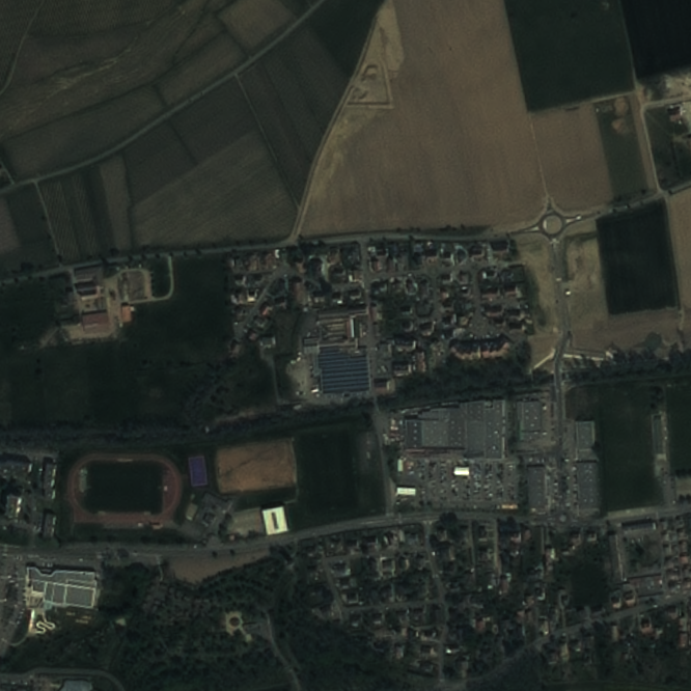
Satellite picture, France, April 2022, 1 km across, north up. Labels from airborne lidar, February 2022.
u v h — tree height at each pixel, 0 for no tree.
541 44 0
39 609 0
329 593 22
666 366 21
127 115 0
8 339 0
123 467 0
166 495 0
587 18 0
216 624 15
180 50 0
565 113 0
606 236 0
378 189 0
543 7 0
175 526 0
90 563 0
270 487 0
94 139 0
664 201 0
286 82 0
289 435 0
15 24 0
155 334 0
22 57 0
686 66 0
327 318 0
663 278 0
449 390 15
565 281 0
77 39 0
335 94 0
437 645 0
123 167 0
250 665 13
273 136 0
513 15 7
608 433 0
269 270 0
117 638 0
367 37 0
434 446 0
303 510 0
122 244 0
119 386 0
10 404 0
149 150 0
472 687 14
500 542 0
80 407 0
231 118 0
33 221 0
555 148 0
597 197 0
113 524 0
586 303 0
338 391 0
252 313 0
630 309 0
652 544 0
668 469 0
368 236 0
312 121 0
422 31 0
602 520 0
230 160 0
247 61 0
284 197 0
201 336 0
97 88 0
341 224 0
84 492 0
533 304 0
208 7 0
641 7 0
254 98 0
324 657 23
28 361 0
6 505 0
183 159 0
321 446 0
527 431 0
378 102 0
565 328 0
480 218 0
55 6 0
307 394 0
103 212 0
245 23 0
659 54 0
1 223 0
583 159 0
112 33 0
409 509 0
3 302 0
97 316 0
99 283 0
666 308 0
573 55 0
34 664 0
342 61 0
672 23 0
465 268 0
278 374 0
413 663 0
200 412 20
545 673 16
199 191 0
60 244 0
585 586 0
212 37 0
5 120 0
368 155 0
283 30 0
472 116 0
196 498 0
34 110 0
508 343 0
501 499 0
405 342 0
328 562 0
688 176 0
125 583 17
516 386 6
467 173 0
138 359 0
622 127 0
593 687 0
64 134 0
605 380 12
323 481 0
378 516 0
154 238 0
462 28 0
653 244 0
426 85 0
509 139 0
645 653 7
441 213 0
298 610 10
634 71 0
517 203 0
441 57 0
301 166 0
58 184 0
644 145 0
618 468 0
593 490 0
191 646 8
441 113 0
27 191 0
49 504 0
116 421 0
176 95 0
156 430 24
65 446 18
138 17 0
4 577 0
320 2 0
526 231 0
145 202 0
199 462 0
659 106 0
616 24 0
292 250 10
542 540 0
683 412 0
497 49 0
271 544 0
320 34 0
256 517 0
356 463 0
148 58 0
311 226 0
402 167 0
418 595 9
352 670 18
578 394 0
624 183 0
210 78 0
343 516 0
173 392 0
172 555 0
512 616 12
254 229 0
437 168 0
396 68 0
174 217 0
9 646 0
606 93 0
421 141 0
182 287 0
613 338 0
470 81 0
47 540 10
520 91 0
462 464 0
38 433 21
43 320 0
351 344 0
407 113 0
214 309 0
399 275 0
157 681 13
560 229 0
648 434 0
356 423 0
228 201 0
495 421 0
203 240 0
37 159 0
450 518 13
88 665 0
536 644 0
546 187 0
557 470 0
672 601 0
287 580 0
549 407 0
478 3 0
